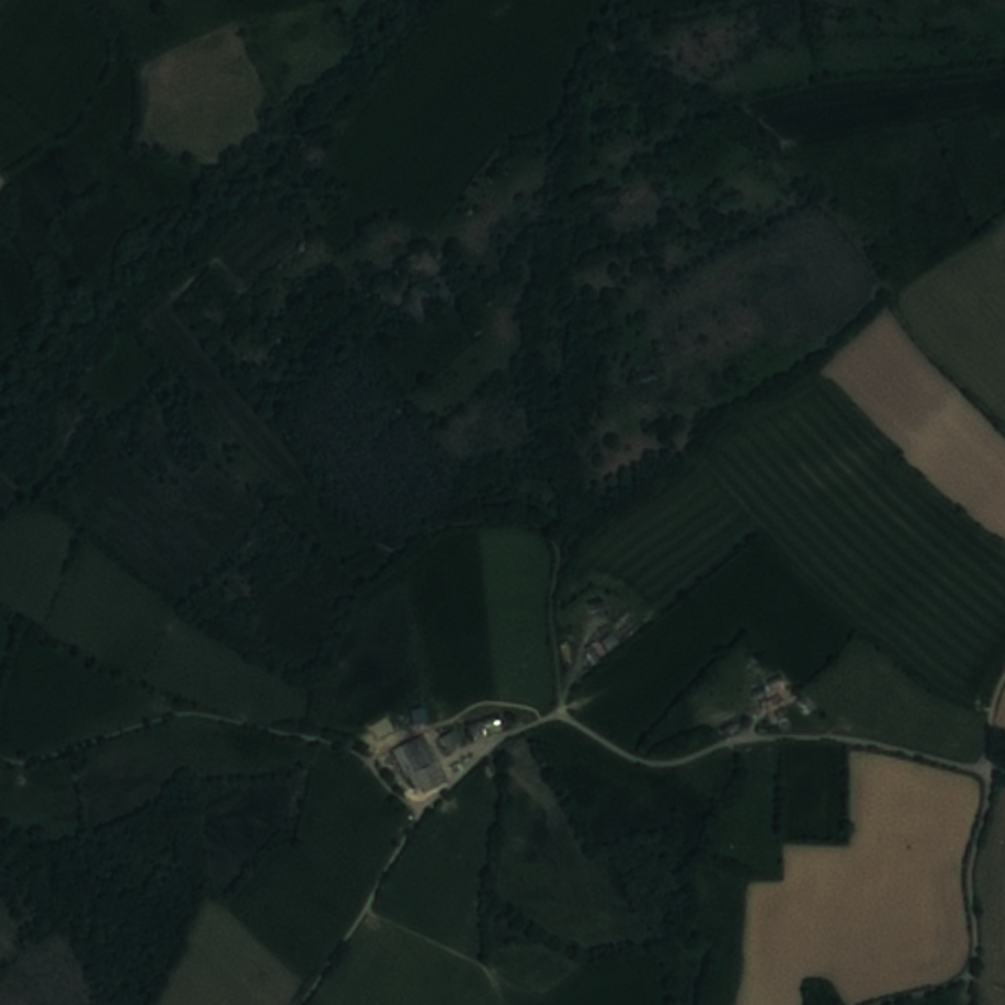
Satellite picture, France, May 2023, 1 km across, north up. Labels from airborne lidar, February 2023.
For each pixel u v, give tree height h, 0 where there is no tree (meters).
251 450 0
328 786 0
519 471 15
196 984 0
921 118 0
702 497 0
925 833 0
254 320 13
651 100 15
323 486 15
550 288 13
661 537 0
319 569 10
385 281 18
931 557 0
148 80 0
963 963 0
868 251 7
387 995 0
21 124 0
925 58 0
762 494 0
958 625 0
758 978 0
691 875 9
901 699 0
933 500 0
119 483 0
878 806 0
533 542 0
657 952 16
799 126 0
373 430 21
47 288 8
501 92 0
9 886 13
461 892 0
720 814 10
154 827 11
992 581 0
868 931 0
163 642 0
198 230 16
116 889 12
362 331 17
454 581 0
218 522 0
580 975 0
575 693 8
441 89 0
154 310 0
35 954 0
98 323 16
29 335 17
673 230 12
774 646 0
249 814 0
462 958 0
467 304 17
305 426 19
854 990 0
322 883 0
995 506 0
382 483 18
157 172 0
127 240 9
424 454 15
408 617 0
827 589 0
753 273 0
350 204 0
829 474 0
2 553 0
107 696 0
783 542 0
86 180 0
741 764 14
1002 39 0
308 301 8
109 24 9
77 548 13
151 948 16
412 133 0
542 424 15
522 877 0
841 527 0
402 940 0
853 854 0
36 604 0
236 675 0
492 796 0
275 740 7
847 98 0
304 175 0
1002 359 0
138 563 0
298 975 0
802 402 0
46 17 0
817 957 0
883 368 0
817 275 0
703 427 12
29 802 0
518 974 0
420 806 0
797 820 0
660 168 7
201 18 0
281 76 0
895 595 0
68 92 0
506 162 6
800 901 0
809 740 0
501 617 0
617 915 0
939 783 0
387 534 18
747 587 0
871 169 0
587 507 17
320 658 7
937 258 0
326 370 21
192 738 0
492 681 0
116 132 0
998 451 0
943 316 0
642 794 0
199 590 16
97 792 0
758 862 0
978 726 0
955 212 0
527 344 11
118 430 15
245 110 0
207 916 0
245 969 0
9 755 0
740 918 0
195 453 13
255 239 0
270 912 0
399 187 0
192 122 0
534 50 0
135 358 0
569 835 0
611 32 12
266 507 12
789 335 0
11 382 9
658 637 0
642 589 0
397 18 11
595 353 8
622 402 0
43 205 0
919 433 0
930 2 0
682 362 0
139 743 0
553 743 0
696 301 0
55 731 0
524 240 14
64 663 0
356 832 0
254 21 0
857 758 0
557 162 7
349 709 0
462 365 0
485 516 13
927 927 0
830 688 0
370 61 12
